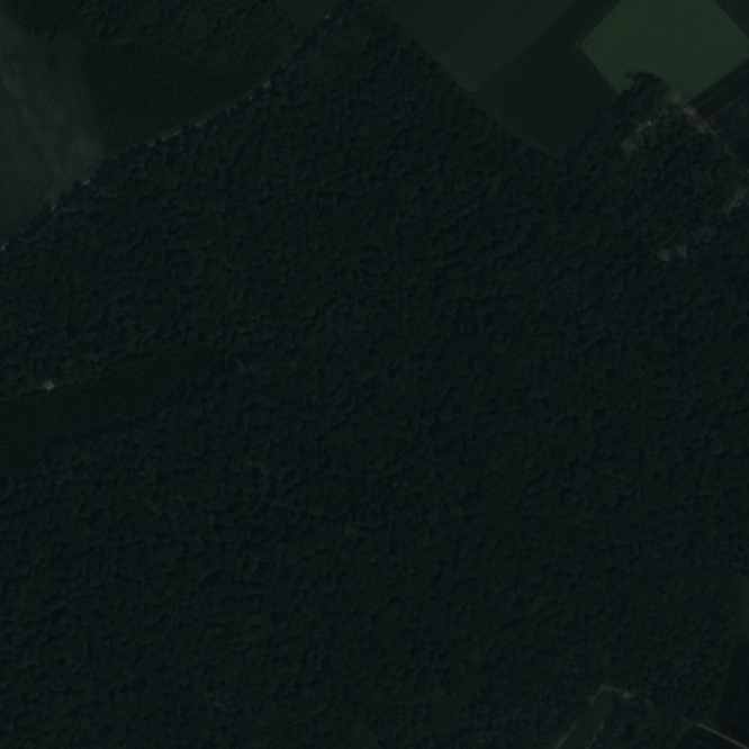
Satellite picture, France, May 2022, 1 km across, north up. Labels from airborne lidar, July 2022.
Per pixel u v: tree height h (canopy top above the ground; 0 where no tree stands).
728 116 0
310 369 31
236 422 10
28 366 29
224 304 33
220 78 6
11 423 11
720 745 0
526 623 23
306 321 27
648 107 27
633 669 23
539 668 32
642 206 28
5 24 0
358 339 25
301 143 24
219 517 29
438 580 30
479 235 21
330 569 21
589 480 32
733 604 23
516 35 0
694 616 28
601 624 22
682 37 0
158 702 25
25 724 26
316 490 27
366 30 27
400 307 26
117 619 31
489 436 28
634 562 28
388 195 27
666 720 25
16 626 29
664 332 29
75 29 8
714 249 24
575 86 0
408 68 26
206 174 26
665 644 25
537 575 25
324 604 31
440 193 23
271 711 28
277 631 28
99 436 29
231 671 29
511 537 28
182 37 22
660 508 27
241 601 28
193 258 32
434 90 29
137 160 28
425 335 25
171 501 29
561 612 28
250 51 15
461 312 28
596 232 23
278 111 22
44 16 14
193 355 10
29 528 29
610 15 0
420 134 23
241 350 10
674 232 20
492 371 29
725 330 32
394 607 29
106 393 10
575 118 0
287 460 31
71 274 29
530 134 0
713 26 0
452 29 0
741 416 33
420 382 30
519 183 25
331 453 32
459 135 26
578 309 17
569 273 27
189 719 30
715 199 19
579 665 28
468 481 31
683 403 29
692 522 27
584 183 23
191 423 29
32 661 22
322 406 31
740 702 0
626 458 29
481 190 21
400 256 22
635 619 25
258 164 26
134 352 13
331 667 25
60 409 10
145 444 30
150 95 6
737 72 0
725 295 29
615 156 28
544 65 0
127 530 28
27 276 29
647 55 0
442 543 32
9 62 0
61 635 25
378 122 30
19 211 0
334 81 26
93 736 29
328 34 25
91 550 26
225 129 23
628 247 10
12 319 29
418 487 31
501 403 24
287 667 29
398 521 30
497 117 0
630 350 28
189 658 26
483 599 31
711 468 31
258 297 31
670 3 0
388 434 31
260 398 30
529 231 10
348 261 29
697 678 27
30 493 25
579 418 30
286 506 23
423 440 29
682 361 31
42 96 0
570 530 20
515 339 28
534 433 31
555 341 21
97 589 28
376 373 29
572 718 24
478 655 25
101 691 30
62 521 31
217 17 14
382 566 32
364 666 29
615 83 0
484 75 0
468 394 32
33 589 28
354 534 28
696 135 9
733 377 31
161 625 23
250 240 27
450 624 28
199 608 23
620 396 27
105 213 28
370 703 26
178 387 7
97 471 29
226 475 29
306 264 26
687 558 27
